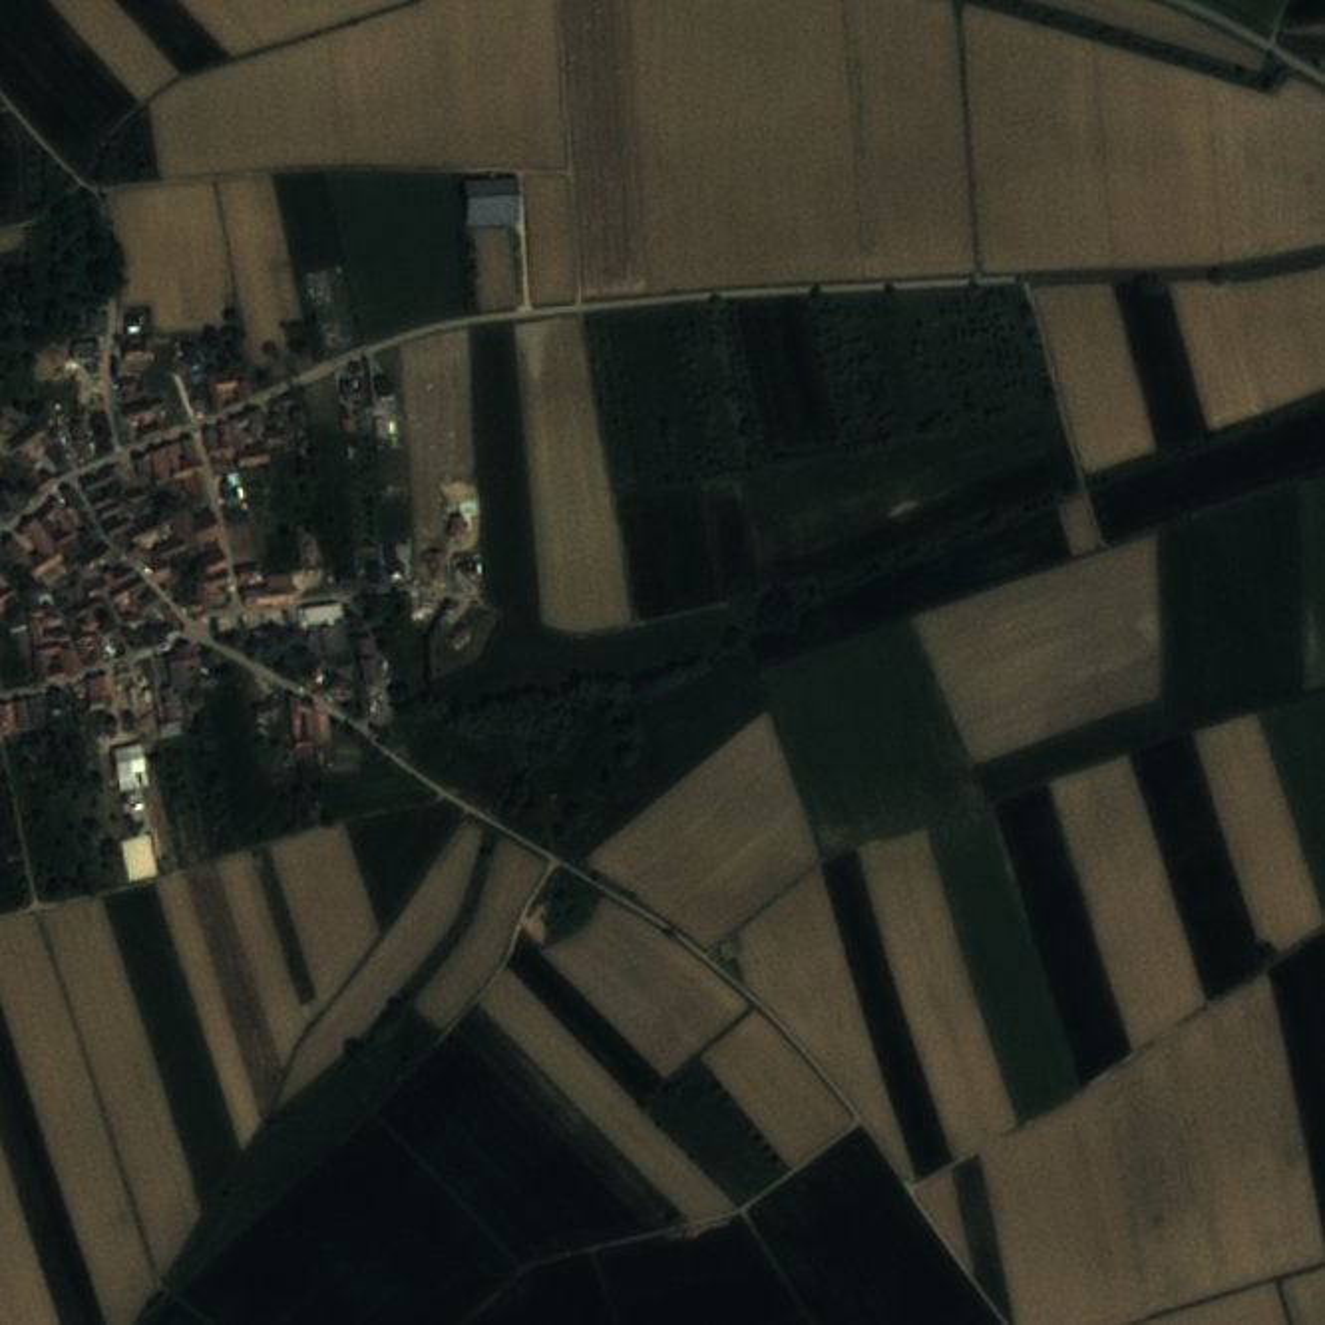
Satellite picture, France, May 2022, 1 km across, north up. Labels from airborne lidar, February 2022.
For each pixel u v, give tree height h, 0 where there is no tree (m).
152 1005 0
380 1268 0
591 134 0
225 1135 0
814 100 0
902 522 0
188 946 0
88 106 0
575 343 0
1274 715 0
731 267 0
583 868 0
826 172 0
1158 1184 0
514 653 0
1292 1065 0
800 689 0
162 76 0
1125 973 0
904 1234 0
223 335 7
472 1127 0
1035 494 0
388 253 0
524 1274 0
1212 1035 0
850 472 0
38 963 0
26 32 0
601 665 0
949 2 0
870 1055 0
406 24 0
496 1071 0
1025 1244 0
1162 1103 0
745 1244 0
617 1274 0
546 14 0
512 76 0
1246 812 0
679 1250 0
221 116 0
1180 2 0
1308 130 0
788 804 0
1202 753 0
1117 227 0
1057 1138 0
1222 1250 0
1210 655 0
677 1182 0
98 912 0
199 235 0
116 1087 0
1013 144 0
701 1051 0
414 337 0
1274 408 0
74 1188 0
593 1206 0
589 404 0
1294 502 0
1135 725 0
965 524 0
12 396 0
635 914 0
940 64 0
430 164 0
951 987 0
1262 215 0
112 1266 0
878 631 0
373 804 0
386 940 0
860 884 0
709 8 0
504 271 0
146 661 0
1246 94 0
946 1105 0
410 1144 0
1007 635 0
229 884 0
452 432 0
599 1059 0
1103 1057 0
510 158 0
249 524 0
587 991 0
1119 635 0
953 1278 0
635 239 0
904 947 0
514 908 0
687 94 0
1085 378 0
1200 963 0
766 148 0
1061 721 0
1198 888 0
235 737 0
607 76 0
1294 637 0
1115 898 0
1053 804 0
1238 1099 0
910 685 0
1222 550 0
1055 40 0
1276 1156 0
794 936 0
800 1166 0
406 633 0
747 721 0
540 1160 0
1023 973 0
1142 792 0
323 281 0
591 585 0
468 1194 0
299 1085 0
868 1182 0
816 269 0
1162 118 0
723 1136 0
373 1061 0
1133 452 0
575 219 0
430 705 15
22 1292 0
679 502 0
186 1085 0
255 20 0
